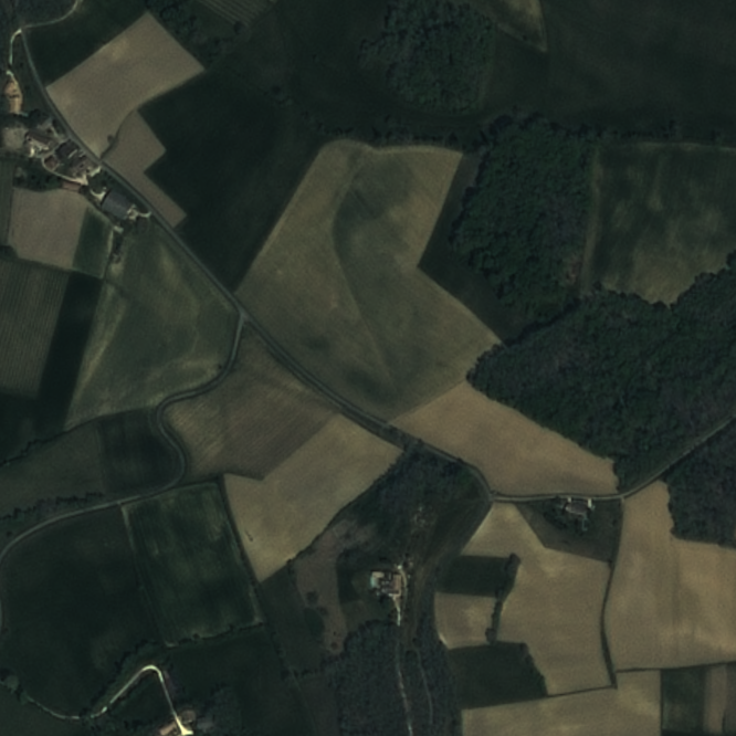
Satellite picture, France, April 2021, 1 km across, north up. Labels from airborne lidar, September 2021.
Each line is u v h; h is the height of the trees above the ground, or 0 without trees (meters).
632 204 0
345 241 0
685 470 13
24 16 18
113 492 0
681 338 21
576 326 19
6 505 0
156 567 0
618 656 0
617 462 7
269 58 0
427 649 20
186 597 0
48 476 0
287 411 0
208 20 0
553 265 24
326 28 0
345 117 0
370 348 0
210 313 0
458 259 0
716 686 0
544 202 23
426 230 0
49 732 0
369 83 0
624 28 0
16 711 0
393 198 0
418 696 15
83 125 0
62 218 0
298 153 0
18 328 0
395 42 18
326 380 0
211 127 0
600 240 0
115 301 0
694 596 0
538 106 0
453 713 19
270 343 0
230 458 0
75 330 0
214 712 17
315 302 0
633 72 0
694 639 0
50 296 0
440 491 19
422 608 0
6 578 0
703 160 0
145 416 0
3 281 0
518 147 25
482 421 0
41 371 0
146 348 0
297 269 0
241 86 0
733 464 17
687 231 0
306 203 0
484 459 0
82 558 0
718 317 22
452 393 0
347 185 0
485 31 21
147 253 0
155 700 0
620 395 21
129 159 0
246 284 0
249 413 0
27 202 0
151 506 0
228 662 0
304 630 0
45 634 0
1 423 0
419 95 21
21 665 0
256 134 0
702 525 14
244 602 0
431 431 0
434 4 23
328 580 0
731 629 0
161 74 0
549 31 0
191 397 0
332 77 0
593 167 14
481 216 21
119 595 0
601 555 0
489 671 0
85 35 0
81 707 0
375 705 12
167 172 0
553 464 0
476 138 0
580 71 0
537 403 24
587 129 0
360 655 16
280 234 0
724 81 0
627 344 22
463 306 0
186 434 0
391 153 0
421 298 0
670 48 0
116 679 9
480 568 0
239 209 0
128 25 0
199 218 0
